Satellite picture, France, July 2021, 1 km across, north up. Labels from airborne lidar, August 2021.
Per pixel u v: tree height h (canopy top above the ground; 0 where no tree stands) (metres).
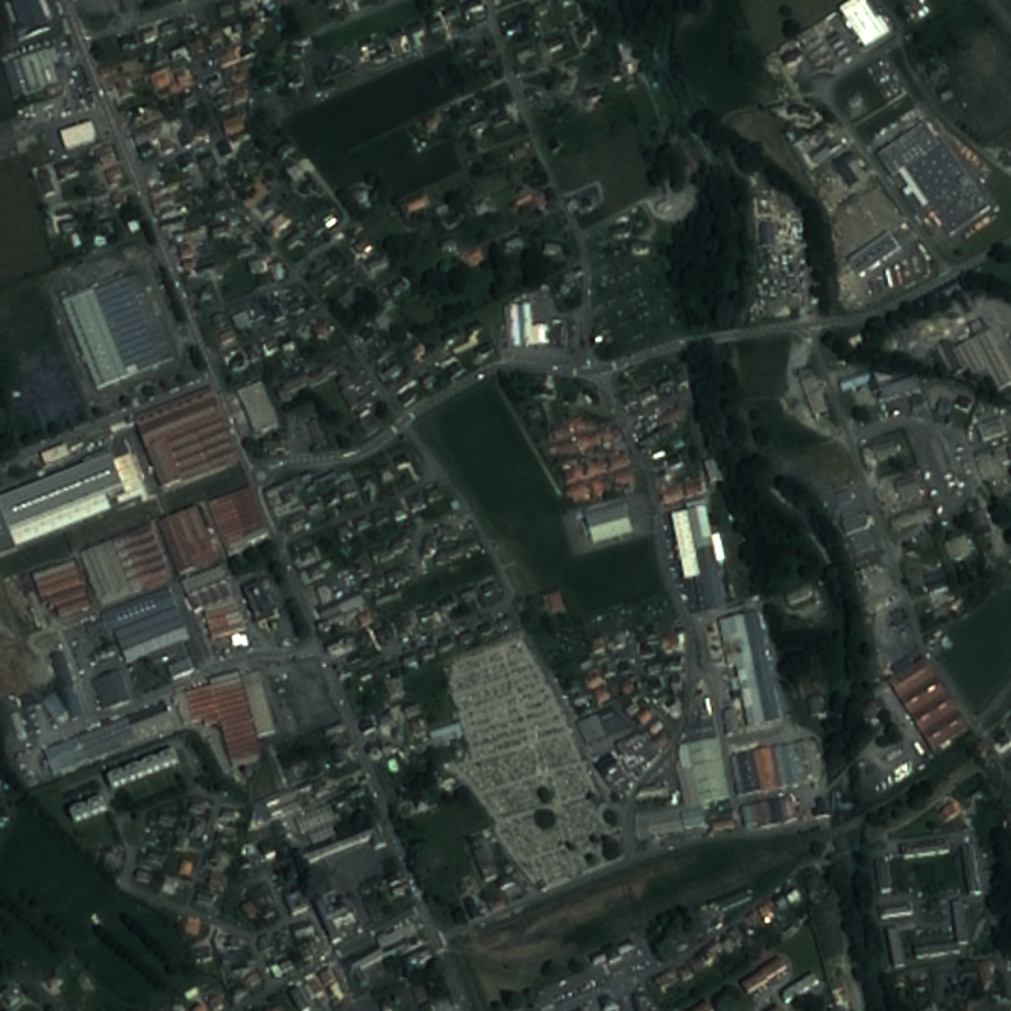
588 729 0
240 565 16
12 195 0
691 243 16
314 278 8
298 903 0
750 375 0
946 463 0
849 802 0
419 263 0
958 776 0
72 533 0
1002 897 22
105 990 0
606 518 0
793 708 0
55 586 0
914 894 0
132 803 9
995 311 0
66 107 0
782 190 11
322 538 8
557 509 0
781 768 0
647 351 0
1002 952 19
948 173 0
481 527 0
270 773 0
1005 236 0
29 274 6
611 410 0
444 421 0
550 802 6
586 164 0
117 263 0
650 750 0
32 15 0
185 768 0
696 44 0
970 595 8
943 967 0
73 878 0
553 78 6
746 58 7
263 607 0
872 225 0
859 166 0
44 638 0
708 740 0
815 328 0
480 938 0
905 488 0
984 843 7
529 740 0
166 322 0
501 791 0
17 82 0
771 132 0
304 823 0
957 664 0
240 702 0
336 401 0
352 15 0
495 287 9
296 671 0
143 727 0
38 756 0
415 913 0
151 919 0
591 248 0
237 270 0
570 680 6
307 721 0
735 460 18
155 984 20
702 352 27
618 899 0
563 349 0
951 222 0
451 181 0
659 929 16
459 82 9
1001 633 0
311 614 0
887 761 0
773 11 0
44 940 11
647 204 0
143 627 0
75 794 9
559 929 0
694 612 0
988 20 7
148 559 0
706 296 11
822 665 18
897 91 0
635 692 6
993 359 0
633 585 0
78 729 0
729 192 25
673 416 0
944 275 0
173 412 0
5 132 0
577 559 0
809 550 7
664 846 0
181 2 0
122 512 0
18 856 0
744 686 0
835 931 0
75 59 0
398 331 8
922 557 0
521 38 9
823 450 0
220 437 0
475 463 0
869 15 0
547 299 0
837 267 17
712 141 27
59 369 0
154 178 0
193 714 0
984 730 0
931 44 6
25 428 0
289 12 10
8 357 0
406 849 8
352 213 12
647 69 9
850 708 21
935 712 0
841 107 0
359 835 0
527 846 0
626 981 0
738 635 0
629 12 22
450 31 0
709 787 0
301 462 0
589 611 0
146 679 0
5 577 0
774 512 11
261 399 0
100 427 0
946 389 0
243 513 0
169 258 0
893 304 0
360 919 0
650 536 0
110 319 0
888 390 0
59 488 0
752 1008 0
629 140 0
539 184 9
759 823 0
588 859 10
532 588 0
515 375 7
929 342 0
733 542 0
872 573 0
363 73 0
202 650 0
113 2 0
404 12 0
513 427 0
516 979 0
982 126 0
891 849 0
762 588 8
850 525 0
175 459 0
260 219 0
